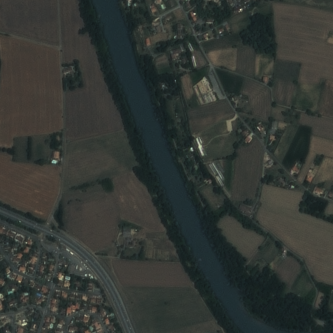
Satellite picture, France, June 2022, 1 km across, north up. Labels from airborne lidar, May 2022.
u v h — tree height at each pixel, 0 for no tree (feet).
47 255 23
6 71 0
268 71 0
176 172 0
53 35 0
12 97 0
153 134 0
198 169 35
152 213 0
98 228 0
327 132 0
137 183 0
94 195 0
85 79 0
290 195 0
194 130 0
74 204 0
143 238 0
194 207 0
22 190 0
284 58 0
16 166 0
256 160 0
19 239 0
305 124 0
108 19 0
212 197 0
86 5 63
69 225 0
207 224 107
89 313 0
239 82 0
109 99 0
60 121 0
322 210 59
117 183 0
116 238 0
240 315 0
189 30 0
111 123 0
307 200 52
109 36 0
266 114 0
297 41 0
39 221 41
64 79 32
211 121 0
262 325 0
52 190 0
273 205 0
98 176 0
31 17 0
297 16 0
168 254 0
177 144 29
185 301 0
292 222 0
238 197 0
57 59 0
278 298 86
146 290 0
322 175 0
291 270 0
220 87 0
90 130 0
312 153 0
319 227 0
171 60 21
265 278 76
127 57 0
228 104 0
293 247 0
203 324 0
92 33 61
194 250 0
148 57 41
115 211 0
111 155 0
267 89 0
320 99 0
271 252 0
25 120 0
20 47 0
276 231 0
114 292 0
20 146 0
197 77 0
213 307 80
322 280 0
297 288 0
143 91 0
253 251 0
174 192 0
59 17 0
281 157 0
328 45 0
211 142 0
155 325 0
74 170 0
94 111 0
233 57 0
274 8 0
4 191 0
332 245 0
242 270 41
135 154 36
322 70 0
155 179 95
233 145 28
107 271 0
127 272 0
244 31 53
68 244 0
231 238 0
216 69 0
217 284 0
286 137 0
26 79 0
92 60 0
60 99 0
